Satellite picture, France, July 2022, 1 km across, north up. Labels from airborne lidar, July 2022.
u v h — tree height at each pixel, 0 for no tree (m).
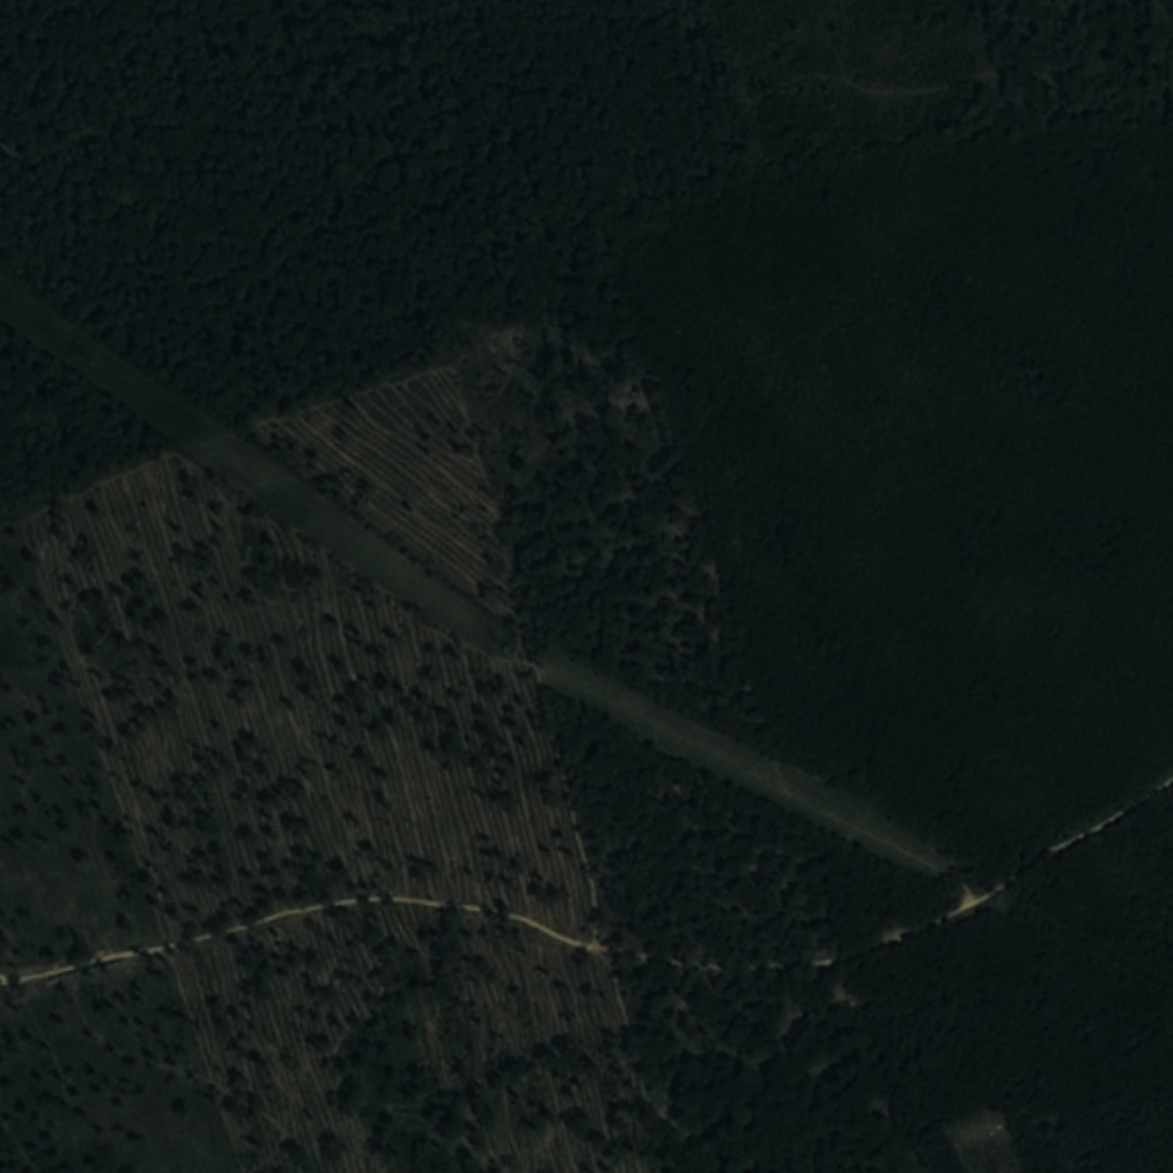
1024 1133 12
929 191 14
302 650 0
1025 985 13
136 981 0
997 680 18
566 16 19
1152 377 17
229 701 0
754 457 15
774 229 15
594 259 24
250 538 7
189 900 0
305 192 21
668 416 14
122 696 23
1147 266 16
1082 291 17
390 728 21
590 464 28
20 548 0
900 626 12
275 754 11
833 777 17
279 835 23
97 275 20
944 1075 18
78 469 21
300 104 23
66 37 26
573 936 0
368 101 30
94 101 23
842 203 12
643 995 17
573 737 21
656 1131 23
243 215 24
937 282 15
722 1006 20
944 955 19
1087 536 19
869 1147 16
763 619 10
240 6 25
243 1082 25
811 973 25
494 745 24
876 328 13
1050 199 14
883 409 12
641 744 17
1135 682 12
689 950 12
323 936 19
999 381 17
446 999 8
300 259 18
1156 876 15
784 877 22
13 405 26
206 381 17
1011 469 17
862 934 21
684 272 13
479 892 0
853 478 10
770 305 11
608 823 21
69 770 21
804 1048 22
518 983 0
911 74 6
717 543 10
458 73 23
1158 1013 13
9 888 0
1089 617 12
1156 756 13
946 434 13
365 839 0
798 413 9
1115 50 20
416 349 20
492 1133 23
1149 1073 17
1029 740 16
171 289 22
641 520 27
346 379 20
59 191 20
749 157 19
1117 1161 17
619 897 20
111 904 0
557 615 20
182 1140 0
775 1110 25
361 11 27
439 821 0
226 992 0
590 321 34
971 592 11
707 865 20
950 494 15
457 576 0
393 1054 23
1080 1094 18
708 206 12
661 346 15
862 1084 24
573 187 19
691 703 16
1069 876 16
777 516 15
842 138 8
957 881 15
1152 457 18
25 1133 0
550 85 22
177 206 24
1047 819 13
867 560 11
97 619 23
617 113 21
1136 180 22
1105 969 16
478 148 23
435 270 27
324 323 22
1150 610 13
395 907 21
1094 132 15
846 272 15
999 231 15
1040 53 21
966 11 8
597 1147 23
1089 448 14
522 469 28
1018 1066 14
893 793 18
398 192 23
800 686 12
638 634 20
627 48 22
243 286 21
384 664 23
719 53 21
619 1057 21
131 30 22
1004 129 15
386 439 0
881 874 18
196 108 24
